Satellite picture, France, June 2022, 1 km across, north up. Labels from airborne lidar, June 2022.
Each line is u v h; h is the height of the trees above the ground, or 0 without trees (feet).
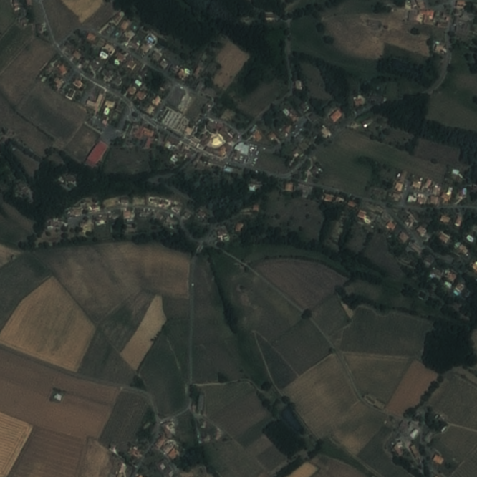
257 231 49
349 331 0
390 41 0
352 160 0
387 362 0
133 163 0
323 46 0
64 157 18
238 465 0
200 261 0
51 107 0
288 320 0
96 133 0
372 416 0
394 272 0
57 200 41
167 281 0
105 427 0
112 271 0
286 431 77
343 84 56
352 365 0
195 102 0
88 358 0
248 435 0
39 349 0
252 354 0
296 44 0
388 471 0
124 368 0
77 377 0
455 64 0
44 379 0
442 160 0
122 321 0
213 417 0
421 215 29
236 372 0
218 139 0
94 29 0
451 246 34
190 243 43
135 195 46
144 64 0
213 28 28
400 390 0
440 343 42
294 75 39
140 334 0
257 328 0
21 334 0
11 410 0
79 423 0
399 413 0
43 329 0
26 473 0
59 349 0
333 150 0
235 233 23
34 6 0
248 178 52
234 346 0
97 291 0
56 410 0
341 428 0
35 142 0
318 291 0
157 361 0
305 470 0
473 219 42
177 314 0
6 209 0
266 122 47
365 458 0
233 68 0
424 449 38
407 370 0
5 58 0
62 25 0
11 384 0
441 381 36
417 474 36
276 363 0
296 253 0
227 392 0
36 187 51
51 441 0
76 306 0
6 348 0
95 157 0
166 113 0
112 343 0
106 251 0
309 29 0
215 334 0
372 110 36
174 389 0
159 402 0
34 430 0
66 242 41
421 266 35
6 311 0
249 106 0
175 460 35
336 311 0
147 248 0
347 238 50
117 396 0
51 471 0
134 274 0
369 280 87
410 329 0
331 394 0
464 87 0
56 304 0
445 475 0
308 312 47
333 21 0
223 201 59
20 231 0
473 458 0
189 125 21
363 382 0
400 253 27
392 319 0
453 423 0
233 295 0
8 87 0
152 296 0
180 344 0
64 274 0
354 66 0
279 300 0
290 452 51
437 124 45
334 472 0
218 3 64
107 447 0
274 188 42
